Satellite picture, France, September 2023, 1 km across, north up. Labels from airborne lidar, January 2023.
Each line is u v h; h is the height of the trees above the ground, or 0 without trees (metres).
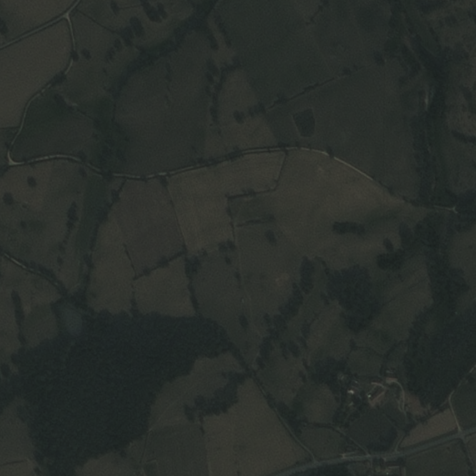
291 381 0
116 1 0
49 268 0
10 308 0
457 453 0
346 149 0
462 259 0
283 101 16
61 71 0
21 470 0
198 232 0
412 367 11
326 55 0
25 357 20
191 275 9
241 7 0
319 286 0
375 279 0
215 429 0
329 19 0
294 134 0
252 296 0
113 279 0
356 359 0
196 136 0
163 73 0
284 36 0
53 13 0
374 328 0
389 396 0
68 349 11
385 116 0
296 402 0
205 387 0
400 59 8
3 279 0
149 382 21
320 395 0
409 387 9
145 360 26
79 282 0
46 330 0
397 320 0
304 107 0
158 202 0
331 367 11
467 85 0
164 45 0
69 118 0
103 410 23
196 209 0
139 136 0
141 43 0
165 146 0
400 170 0
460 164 0
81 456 14
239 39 0
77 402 23
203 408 12
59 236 0
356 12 0
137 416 15
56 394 23
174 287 0
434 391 14
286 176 0
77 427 18
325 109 0
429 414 12
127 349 21
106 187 0
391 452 0
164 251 0
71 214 16
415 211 0
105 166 20
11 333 0
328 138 0
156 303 0
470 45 0
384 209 0
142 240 0
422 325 12
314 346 0
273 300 0
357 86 0
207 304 0
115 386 24
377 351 0
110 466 0
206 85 0
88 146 0
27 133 0
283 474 0
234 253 0
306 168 0
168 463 0
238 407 0
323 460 0
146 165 0
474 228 0
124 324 23
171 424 0
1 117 0
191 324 17
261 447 0
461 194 0
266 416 0
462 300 0
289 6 0
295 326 0
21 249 0
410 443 0
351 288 6
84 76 0
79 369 19
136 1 0
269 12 0
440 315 0
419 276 0
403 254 6
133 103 0
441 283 7
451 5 0
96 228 6
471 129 0
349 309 21
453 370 0
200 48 0
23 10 0
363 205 0
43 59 0
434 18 0
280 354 0
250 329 0
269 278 0
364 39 0
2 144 0
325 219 0
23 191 0
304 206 0
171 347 20
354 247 0
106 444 21
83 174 13
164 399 0
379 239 0
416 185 0
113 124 6
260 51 0
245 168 0
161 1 0
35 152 0
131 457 0
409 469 0
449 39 0
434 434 0
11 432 0
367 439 0
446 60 21
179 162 0
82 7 0
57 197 0
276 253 0
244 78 0
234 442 0
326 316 0
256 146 0
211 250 0
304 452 0
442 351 17
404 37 0
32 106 0
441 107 7
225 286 0
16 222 0
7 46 0
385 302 0
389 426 0
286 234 0
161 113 0
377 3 0
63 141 0
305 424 14
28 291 0
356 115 0
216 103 11
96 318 9
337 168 0
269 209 0
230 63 0
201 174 0
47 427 18
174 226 0
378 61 18
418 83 0
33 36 0
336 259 0
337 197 0
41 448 10
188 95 0
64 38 0
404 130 0
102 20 0
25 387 19
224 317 0
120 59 0
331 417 0
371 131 0
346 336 0
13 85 0
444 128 0
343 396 10
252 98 0
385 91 0
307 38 0
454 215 12
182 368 10
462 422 0
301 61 0
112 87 0
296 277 0
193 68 0
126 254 7
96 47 0
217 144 0
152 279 0
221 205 0
